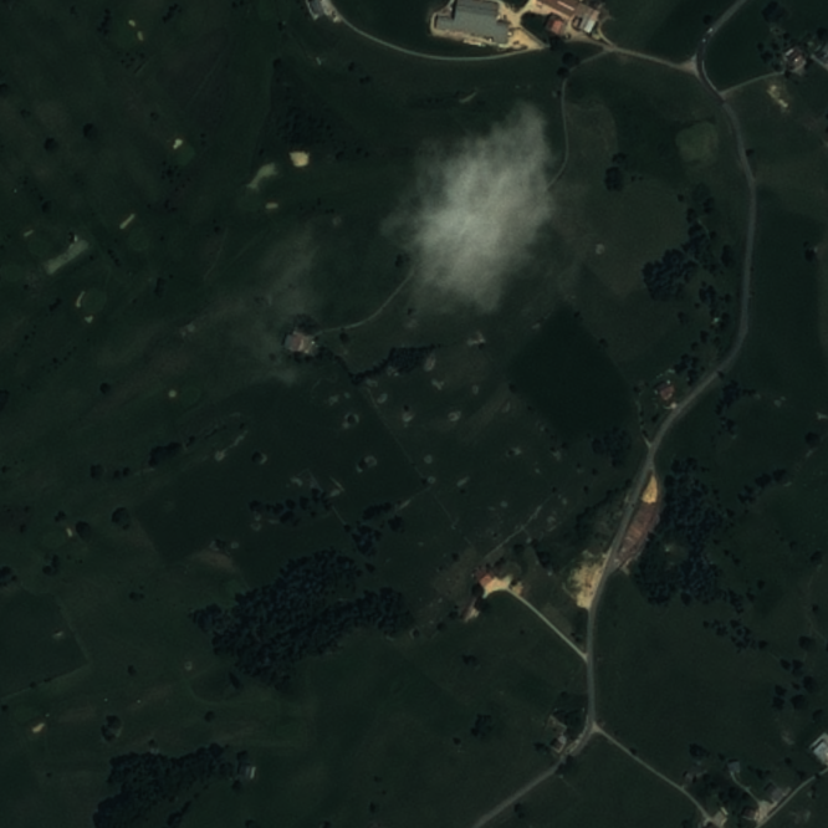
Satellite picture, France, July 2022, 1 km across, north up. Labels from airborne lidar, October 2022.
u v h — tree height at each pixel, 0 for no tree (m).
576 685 0
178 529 0
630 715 0
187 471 0
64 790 0
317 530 0
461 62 0
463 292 0
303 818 0
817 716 9
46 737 0
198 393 0
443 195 0
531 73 0
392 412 0
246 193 0
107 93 0
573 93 0
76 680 0
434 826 0
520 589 0
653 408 0
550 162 0
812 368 0
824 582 0
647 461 0
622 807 0
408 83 0
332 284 0
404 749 0
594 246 0
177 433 0
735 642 13
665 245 0
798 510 0
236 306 0
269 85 0
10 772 0
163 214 0
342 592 0
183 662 0
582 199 0
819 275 0
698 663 0
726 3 0
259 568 0
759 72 0
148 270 0
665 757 0
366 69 0
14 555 0
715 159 0
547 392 0
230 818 0
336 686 0
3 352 0
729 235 0
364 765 0
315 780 0
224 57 0
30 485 0
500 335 0
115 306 0
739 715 0
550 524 0
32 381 0
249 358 0
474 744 0
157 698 0
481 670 0
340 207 0
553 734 0
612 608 0
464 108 0
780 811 0
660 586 7
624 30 0
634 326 0
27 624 0
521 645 0
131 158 0
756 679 0
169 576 0
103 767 0
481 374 0
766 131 0
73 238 7
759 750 0
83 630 0
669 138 0
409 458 0
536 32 0
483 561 0
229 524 0
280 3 0
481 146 0
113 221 0
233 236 0
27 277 0
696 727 0
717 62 0
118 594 0
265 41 0
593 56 0
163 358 0
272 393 0
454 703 0
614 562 0
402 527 19
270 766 0
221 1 0
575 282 0
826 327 0
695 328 0
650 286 10
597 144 0
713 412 0
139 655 0
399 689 0
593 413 0
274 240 0
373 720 0
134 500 0
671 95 0
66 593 0
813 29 0
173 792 9
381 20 0
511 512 0
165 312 0
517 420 0
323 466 0
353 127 0
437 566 0
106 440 0
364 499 0
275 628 24
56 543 0
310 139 11
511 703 0
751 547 0
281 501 0
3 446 0
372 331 0
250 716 0
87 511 0
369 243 0
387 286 0
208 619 26
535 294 0
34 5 0
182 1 0
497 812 0
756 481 0
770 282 0
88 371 0
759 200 0
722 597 27
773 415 0
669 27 0
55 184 0
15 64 0
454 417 0
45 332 0
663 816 0
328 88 0
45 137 0
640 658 0
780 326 0
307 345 0
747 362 0
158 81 0
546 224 0
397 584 0
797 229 0
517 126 0
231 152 0
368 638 0
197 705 0
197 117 0
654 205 0
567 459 0
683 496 9
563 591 0
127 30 0
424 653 0
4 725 0
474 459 0
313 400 0
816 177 0
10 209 0
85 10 0
